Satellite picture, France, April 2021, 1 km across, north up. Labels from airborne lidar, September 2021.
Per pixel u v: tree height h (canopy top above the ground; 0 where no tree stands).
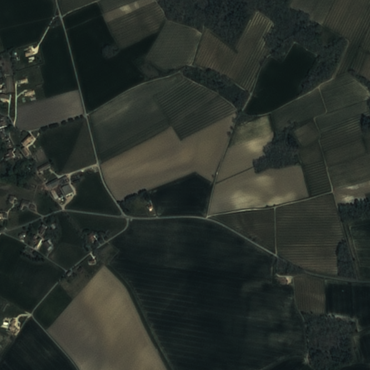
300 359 0
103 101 0
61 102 0
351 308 0
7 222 9
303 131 0
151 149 0
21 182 21
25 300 0
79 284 0
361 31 0
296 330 0
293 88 0
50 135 0
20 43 0
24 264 0
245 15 18
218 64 0
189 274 0
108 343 0
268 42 21
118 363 0
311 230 0
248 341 0
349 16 0
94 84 0
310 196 0
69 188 0
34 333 0
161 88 0
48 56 0
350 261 19
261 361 0
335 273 0
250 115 12
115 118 0
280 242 0
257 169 15
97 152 0
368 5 0
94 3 0
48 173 9
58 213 0
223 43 0
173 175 0
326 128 0
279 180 0
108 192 0
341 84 0
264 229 0
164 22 0
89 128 0
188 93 0
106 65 0
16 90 0
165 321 0
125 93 0
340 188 0
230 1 14
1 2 0
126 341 0
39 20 0
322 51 20
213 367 0
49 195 17
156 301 0
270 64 0
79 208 0
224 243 0
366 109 0
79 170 0
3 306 0
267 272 0
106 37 0
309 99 0
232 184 0
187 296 0
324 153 0
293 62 0
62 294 0
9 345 0
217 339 0
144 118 0
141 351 0
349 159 0
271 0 16
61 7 0
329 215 0
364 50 0
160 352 0
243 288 0
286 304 0
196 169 0
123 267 0
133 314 0
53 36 0
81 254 0
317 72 9
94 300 0
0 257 0
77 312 0
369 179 0
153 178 0
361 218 15
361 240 0
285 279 0
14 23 0
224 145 0
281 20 18
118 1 0
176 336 0
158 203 0
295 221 0
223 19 15
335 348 12
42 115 0
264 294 0
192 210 0
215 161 0
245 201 0
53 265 0
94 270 0
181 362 0
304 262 0
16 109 0
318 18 0
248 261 0
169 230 0
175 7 18
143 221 0
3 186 0
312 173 0
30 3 0
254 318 0
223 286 0
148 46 0
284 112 0
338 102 0
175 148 0
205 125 0
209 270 0
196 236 0
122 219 0
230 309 0
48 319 0
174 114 0
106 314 0
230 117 0
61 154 0
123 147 0
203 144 0
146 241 0
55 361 0
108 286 0
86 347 0
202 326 0
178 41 0
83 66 0
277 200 0
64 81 0
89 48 0
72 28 0
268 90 0
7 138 8
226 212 0
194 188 0
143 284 0
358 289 0
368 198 0
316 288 0
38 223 0
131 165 0
